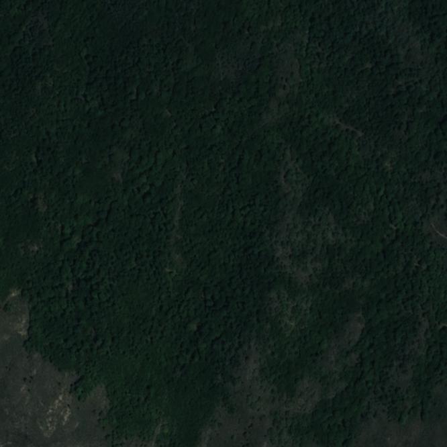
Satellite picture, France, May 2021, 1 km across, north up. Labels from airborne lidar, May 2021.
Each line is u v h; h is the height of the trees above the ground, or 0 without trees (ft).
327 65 33
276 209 34
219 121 100
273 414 33
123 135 65
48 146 54
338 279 57
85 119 37
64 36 61
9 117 32
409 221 52
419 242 47
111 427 22
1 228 43
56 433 0
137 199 89
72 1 45
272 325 28
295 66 36
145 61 80
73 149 44
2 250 68
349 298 52
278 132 66
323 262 62
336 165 63
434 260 52
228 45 36
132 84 79
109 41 36
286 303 24
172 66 30
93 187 34
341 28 51
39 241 27
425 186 62
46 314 101
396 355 20
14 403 0
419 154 61
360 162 66
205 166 64
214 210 30
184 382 44
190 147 82
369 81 51
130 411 56
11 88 66
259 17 70
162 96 62
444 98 78
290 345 64
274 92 28
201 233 47
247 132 31
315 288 38
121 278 55
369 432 0
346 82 43
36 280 40
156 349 35
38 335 83
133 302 38
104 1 42
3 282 34
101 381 31
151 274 69
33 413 0
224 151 67
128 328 46
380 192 68
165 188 42
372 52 49
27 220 41
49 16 36
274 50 41
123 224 85
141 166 94
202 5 43
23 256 22
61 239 28
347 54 33
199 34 56
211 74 32
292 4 52
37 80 48
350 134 51
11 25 49
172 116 34
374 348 90
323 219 29
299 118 41
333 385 20
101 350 66
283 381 70
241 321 37
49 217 38
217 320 104
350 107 27
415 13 84
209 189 53
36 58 60
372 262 84
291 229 39
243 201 62
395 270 54
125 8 57
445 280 41
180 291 71
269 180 41
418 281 51
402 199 36
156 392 33
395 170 40
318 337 110
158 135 40
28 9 55
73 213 51
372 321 85
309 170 30
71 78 44
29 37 42
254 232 45
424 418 49
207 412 28
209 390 31
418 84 53
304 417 50
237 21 70
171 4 52
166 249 53
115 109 57
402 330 20
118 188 69
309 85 62
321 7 36
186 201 49
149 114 50
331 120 45
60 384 32
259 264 59
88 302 87
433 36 46
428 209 35
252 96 37
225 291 75
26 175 67
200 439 25
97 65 39
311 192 53
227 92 36
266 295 22
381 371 22
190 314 83
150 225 75
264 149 89
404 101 62
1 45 45
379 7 48
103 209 97
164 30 43
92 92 87
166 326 58
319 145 55
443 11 70
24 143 28
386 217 70
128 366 43
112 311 27
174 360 63
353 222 18
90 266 60
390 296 70
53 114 69
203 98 65
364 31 54
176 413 31
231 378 31
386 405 27
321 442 28
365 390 58
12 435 0
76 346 43
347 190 70
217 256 85
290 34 32
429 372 34
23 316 0
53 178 28
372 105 42
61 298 84
